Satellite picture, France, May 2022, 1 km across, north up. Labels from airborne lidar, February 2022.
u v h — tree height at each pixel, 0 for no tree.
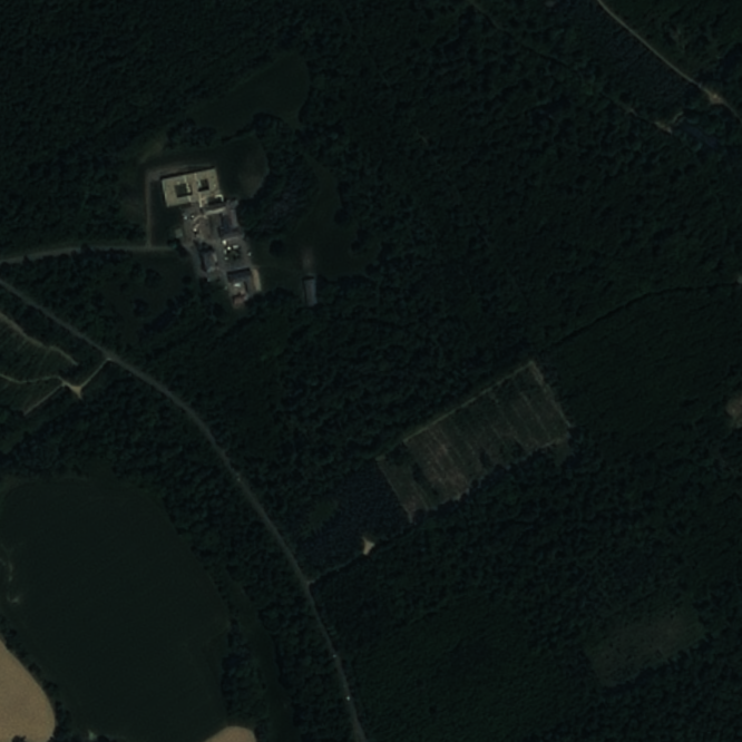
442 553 22
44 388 0
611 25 15
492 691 7
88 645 0
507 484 22
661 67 12
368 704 8
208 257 0
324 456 31
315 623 22
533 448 0
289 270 0
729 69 26
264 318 15
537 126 33
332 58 27
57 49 21
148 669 0
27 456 18
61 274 10
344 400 12
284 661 24
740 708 23
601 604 23
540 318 18
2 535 0
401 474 0
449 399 24
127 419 28
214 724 0
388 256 10
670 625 0
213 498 28
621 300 14
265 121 19
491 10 13
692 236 28
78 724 0
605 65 12
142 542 0
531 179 26
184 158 0
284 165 13
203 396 18
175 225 0
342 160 8
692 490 25
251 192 0
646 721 22
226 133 0
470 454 0
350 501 17
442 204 9
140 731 0
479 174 18
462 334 25
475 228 23
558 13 10
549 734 11
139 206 0
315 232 0
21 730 0
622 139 17
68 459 22
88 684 0
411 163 8
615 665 0
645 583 19
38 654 0
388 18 17
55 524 0
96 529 0
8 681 0
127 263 14
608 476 17
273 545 27
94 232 14
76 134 19
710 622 19
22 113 21
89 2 7
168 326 19
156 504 0
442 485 0
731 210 23
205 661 0
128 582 0
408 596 17
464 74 22
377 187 6
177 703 0
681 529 25
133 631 0
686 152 17
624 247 29
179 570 0
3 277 10
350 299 27
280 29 12
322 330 21
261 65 22
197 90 14
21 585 0
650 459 29
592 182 20
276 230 16
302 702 17
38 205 10
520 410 0
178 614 0
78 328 9
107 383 0
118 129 10
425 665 9
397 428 25
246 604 0
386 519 19
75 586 0
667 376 9
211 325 14
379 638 21
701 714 24
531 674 7
